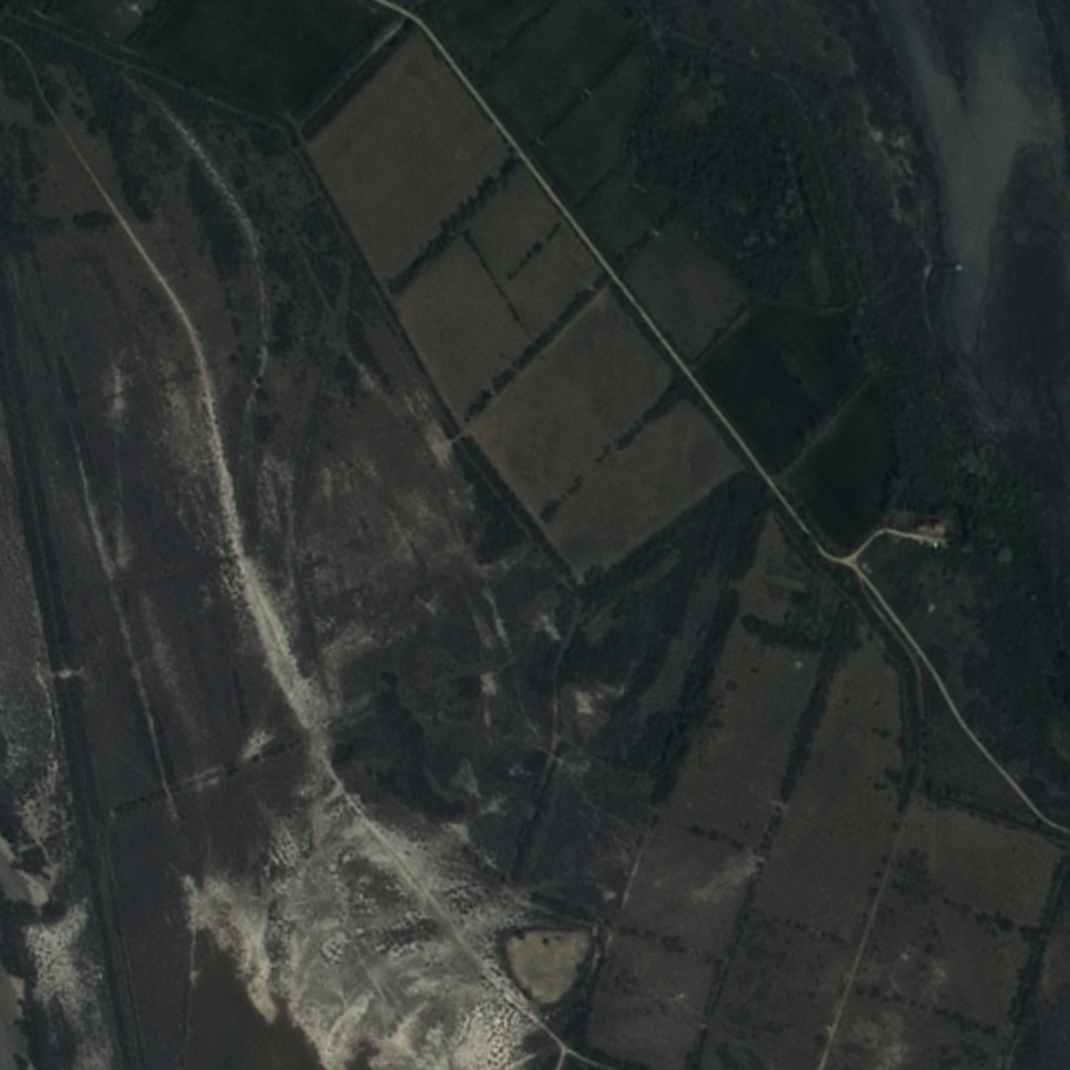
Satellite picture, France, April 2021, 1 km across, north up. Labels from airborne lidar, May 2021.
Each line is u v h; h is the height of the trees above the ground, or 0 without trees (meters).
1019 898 0
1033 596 6
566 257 0
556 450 0
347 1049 0
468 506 0
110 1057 0
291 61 0
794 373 0
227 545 0
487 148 0
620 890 0
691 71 14
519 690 0
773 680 0
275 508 0
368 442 0
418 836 0
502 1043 0
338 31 0
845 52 0
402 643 0
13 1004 0
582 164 0
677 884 0
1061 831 7
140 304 0
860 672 0
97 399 0
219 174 0
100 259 0
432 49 0
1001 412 0
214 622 0
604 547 0
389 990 0
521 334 0
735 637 0
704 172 8
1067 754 0
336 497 0
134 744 0
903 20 0
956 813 0
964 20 0
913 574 6
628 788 0
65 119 0
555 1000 0
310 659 0
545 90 0
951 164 0
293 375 0
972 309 0
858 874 0
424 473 0
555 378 0
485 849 0
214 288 0
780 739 0
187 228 0
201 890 0
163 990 0
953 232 0
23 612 0
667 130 8
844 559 0
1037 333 0
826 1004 0
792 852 0
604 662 0
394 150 0
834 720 0
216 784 0
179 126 0
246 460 0
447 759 0
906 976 0
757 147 13
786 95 6
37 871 0
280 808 0
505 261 0
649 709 0
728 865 0
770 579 0
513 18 0
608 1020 0
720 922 0
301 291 0
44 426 0
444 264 0
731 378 0
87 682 0
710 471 0
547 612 0
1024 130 0
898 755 0
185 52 0
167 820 0
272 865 0
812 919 0
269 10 0
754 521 6
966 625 0
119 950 0
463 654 0
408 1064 0
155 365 0
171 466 0
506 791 0
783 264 10
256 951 0
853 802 0
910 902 0
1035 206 0
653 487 0
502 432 0
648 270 0
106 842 0
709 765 0
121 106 8
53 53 5
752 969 0
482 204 12
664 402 6
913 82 0
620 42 0
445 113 0
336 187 0
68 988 0
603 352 0
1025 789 0
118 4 0
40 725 0
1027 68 0
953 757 0
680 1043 0
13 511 0
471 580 0
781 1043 0
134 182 6
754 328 0
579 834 0
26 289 0
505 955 0
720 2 0
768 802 0
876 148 0
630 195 0
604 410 0
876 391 0
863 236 8
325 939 0
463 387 0
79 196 0
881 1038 0
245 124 6
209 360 0
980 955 0
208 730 0
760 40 0
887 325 5
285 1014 0
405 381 0
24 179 0
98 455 0
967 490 7
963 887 0
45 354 0
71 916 0
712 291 0
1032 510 8
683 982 0
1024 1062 0
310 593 0
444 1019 0
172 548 0
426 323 0
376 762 0
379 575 0
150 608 0
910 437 8
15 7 6
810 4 0
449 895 0
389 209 0
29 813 0
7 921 0
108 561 0
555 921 0
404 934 0
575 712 0
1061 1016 0
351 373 0
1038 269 0
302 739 0
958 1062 0
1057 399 0
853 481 0
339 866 0
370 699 0
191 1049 0
